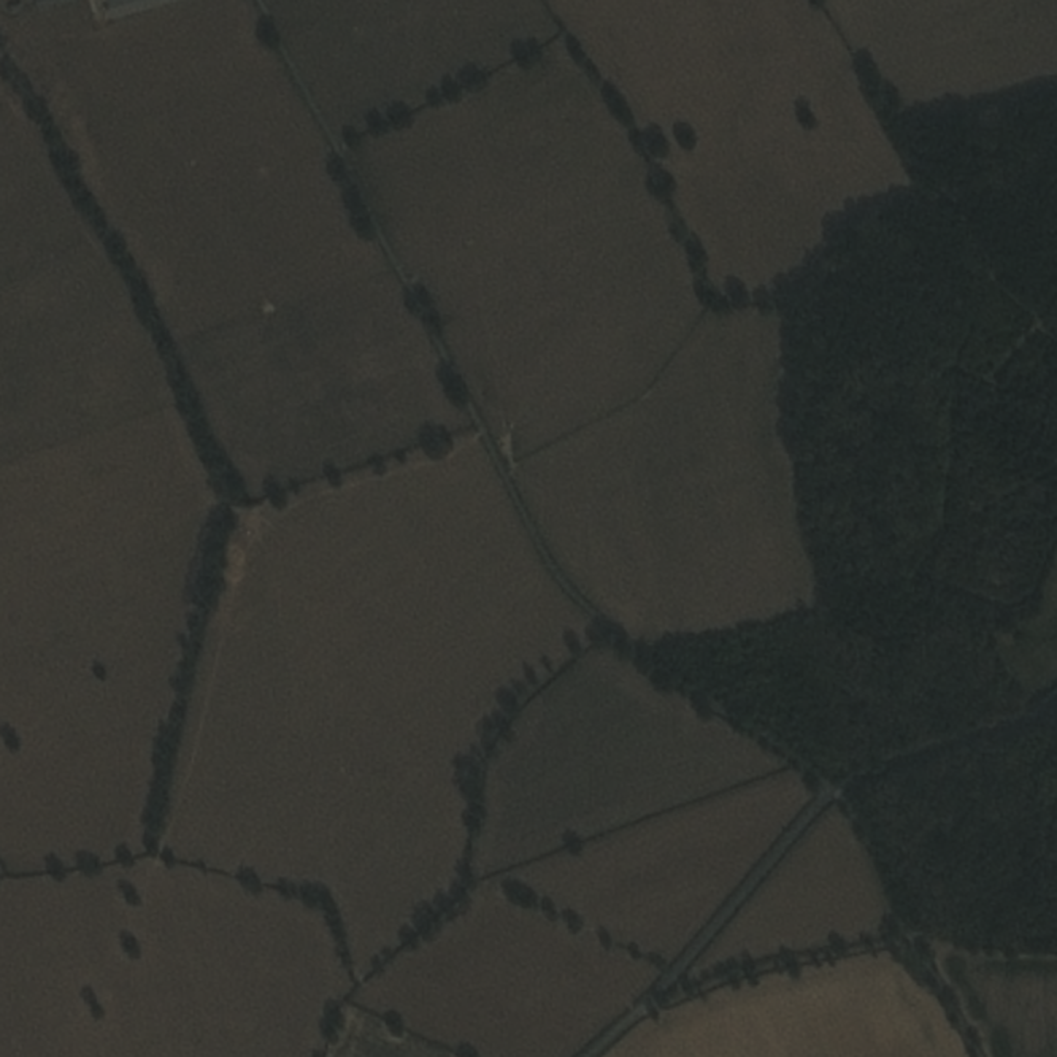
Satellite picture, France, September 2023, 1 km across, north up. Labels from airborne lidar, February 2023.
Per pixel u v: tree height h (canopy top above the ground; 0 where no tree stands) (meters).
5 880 0
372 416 0
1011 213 23
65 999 0
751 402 0
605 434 0
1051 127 22
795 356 21
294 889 9
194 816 0
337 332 0
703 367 0
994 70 0
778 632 7
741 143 0
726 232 0
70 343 0
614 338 0
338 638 0
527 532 0
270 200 0
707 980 9
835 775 13
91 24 0
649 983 0
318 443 0
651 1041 0
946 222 22
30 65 0
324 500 0
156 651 0
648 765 0
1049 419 6
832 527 19
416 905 0
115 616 0
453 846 0
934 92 0
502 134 0
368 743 0
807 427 21
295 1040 0
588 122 0
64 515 0
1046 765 22
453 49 0
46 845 0
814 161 0
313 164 0
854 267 23
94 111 0
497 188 0
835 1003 0
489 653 0
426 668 0
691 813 0
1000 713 16
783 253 0
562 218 0
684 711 0
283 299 0
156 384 0
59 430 0
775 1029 0
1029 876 22
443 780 0
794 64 0
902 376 22
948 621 22
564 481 0
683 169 0
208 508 0
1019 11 0
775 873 0
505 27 0
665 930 0
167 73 0
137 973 0
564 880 0
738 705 6
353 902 0
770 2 0
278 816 0
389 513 0
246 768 0
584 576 0
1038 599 13
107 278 0
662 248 0
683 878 0
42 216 0
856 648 22
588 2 0
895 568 19
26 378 0
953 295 20
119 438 0
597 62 0
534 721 0
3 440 0
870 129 0
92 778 0
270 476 0
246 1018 0
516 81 0
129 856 11
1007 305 7
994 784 21
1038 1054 0
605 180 0
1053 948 10
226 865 0
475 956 0
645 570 0
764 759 0
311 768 0
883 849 17
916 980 0
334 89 0
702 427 0
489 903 0
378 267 0
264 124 0
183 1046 0
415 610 0
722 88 0
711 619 0
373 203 0
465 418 0
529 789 0
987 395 12
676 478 0
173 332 0
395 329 0
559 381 0
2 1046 0
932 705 19
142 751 0
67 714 0
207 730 0
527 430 0
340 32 0
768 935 0
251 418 0
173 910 0
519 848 0
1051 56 0
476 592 0
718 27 0
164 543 0
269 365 0
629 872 0
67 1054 0
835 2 0
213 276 0
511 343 0
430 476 0
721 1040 0
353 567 0
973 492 6
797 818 0
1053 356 7
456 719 0
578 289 0
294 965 0
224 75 0
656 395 0
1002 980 0
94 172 0
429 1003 0
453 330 0
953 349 9
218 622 0
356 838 0
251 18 0
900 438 18
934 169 22
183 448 0
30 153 0
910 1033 0
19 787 0
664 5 0
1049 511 9
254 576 0
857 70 13
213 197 0
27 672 0
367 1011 0
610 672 0
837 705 13
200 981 0
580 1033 0
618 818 0
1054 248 22
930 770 19
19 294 0
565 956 0
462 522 0
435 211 0
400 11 0
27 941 0
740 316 0
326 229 0
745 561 0
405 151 0
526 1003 0
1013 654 0
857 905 0
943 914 16
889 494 20
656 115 0
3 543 0
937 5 0
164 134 0
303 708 0
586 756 0
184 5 0
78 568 0
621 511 0
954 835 19
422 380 0
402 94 0
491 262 0
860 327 22
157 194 0
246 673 0
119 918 0
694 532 0
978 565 7
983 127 20
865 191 0
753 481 0
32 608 0
